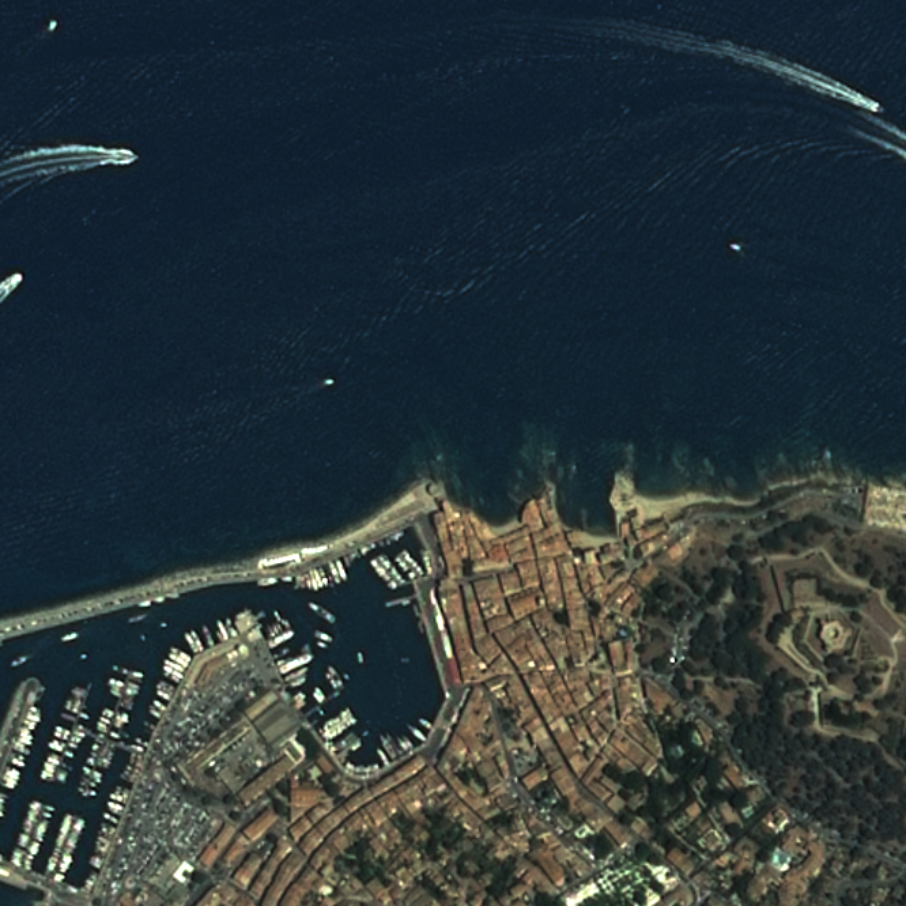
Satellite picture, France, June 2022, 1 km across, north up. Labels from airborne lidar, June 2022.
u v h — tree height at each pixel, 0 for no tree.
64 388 0
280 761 0
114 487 0
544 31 0
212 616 0
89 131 0
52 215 0
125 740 0
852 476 0
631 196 0
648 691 0
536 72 0
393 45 0
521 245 0
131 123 0
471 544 0
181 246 0
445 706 0
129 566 0
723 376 0
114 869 0
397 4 0
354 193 0
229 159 0
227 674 0
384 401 0
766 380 0
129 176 0
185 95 0
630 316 0
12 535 0
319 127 0
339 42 0
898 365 0
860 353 0
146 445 0
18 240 0
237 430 0
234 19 0
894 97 0
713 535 0
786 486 0
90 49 0
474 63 0
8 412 0
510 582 0
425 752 0
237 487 0
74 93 0
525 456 0
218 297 0
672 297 0
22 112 0
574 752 0
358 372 0
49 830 0
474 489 0
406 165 0
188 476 0
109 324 0
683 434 0
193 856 0
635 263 0
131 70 0
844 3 0
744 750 11
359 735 0
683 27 0
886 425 0
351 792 0
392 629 0
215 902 0
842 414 0
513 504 0
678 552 0
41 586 0
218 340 0
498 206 0
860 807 18
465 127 0
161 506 0
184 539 0
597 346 0
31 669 0
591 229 0
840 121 0
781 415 0
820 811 15
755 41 0
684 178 0
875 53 0
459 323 0
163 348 0
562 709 0
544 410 0
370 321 0
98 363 0
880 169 0
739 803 14
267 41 0
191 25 0
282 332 0
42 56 0
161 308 0
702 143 0
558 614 9
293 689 0
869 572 6
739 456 0
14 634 0
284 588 0
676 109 0
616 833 0
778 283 0
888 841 18
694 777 6
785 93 0
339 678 0
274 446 0
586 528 0
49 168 0
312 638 0
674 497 0
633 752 0
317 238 0
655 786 10
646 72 0
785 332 0
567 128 0
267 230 0
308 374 0
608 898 10
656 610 9
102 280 0
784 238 0
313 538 0
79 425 0
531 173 0
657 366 0
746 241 0
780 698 10
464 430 0
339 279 0
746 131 0
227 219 0
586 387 0
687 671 11
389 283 0
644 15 0
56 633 0
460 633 0
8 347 0
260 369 0
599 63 0
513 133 0
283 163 0
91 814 0
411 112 0
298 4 0
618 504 0
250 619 0
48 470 0
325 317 0
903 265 0
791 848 0
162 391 0
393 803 0
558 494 0
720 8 0
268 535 0
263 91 0
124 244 0
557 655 0
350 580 0
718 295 0
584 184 0
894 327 0
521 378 0
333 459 0
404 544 0
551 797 19
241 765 0
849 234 0
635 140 0
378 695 0
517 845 0
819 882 8
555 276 0
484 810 0
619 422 0
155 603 0
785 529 11
